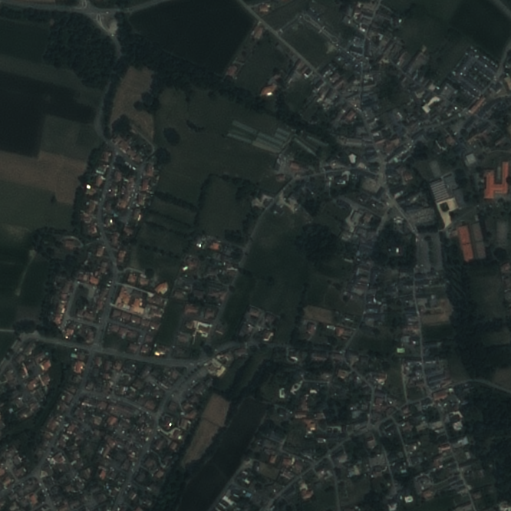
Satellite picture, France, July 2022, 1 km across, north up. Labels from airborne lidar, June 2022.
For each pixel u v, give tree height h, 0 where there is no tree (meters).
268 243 0
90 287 0
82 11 0
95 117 0
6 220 0
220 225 0
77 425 5
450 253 21
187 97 7
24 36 0
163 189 0
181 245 0
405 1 0
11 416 6
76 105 0
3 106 0
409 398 6
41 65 0
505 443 21
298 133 11
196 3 0
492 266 11
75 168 0
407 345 0
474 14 0
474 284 0
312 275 0
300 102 0
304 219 0
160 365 0
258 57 0
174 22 0
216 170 0
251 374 0
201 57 0
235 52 0
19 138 0
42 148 0
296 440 0
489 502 7
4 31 0
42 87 0
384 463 0
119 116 0
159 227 10
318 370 6
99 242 0
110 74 10
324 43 0
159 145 0
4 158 0
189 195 0
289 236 0
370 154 0
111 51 8
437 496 5
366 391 0
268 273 0
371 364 7
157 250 11
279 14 0
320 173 0
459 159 11
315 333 0
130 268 0
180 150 0
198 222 6
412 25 0
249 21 0
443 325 0
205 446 0
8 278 0
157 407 6
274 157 0
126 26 14
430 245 10
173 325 0
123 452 7
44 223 0
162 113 0
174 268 0
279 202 0
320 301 0
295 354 0
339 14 0
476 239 0
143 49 26
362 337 0
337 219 7
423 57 0
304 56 0
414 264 12
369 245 0
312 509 0
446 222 0
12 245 0
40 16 8
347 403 6
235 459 0
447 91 0
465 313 24
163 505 7
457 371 0
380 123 6
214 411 0
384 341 0
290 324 0
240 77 0
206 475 0
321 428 0
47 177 0
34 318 0
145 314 0
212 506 0
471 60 0
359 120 7
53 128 0
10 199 0
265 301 0
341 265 0
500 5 0
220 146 0
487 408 8
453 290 28
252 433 0
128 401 0
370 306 0
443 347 6
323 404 11
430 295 0
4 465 0
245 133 0
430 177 0
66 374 10
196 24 0
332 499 0
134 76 0
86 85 9
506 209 10
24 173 0
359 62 0
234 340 8
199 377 0
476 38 0
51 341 0
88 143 0
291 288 0
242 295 0
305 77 0
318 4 0
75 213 8
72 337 0
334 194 14
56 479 5
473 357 15
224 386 0
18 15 7
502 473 23
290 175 0
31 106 0
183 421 0
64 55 10
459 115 0
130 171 7
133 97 0
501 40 0
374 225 11
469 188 0
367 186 0
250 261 0
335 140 11
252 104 13
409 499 0
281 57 0
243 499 10
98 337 0
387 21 7
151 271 8
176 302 0
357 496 0
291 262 0
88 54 8
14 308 0
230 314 0
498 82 0
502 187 0
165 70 23
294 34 0
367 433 0
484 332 17
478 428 22
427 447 0
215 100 12
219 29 0
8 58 0
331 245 24
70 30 8
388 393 10
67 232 9
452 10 0
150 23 0
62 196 0
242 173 0
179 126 0
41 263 0
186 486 8
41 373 0
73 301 0
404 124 12
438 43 0
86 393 0
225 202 0
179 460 12
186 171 0
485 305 0
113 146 0
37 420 10
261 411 0
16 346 0
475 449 14
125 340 0
